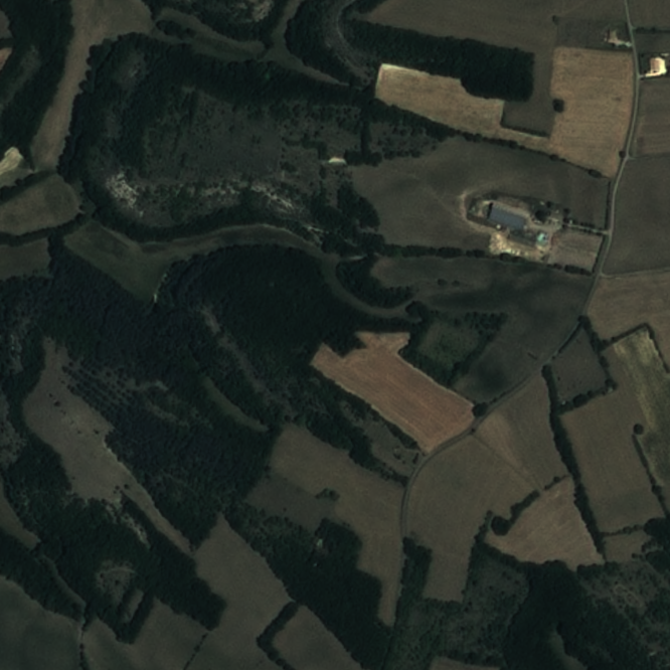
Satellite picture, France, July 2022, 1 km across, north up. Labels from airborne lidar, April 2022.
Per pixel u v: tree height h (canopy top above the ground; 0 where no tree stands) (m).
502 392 0
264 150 0
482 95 14
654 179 0
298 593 12
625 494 0
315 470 0
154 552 6
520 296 0
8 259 0
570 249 0
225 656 0
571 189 0
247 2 7
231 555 0
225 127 0
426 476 0
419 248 11
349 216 10
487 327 6
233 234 0
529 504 6
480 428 0
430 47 10
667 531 13
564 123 0
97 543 12
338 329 13
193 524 8
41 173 0
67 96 0
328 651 0
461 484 0
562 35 0
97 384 10
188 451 18
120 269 0
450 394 0
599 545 11
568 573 11
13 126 16
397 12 0
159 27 11
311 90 14
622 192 0
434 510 0
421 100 0
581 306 0
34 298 7
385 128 0
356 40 8
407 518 0
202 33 0
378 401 0
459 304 0
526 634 16
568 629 18
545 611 16
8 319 12
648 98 0
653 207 0
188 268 13
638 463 0
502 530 10
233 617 0
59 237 11
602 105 0
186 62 18
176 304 8
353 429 10
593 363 0
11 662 0
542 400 0
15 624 0
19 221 0
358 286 11
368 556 0
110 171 0
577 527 0
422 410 0
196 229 15
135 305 26
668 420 0
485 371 0
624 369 0
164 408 9
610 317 0
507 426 0
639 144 0
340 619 17
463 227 0
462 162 0
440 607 7
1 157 16
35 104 18
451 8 0
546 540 0
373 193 0
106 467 0
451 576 0
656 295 0
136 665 0
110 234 0
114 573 0
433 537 0
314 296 10
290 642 0
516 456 0
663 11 0
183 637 0
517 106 0
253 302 11
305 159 0
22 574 14
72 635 0
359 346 10
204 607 16
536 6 0
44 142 0
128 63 0
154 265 0
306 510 0
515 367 0
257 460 10
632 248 0
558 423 14
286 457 0
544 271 0
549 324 0
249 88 17
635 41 0
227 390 18
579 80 0
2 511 0
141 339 25
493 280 0
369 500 0
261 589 0
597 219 0
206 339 9
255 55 0
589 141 0
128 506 12
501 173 0
